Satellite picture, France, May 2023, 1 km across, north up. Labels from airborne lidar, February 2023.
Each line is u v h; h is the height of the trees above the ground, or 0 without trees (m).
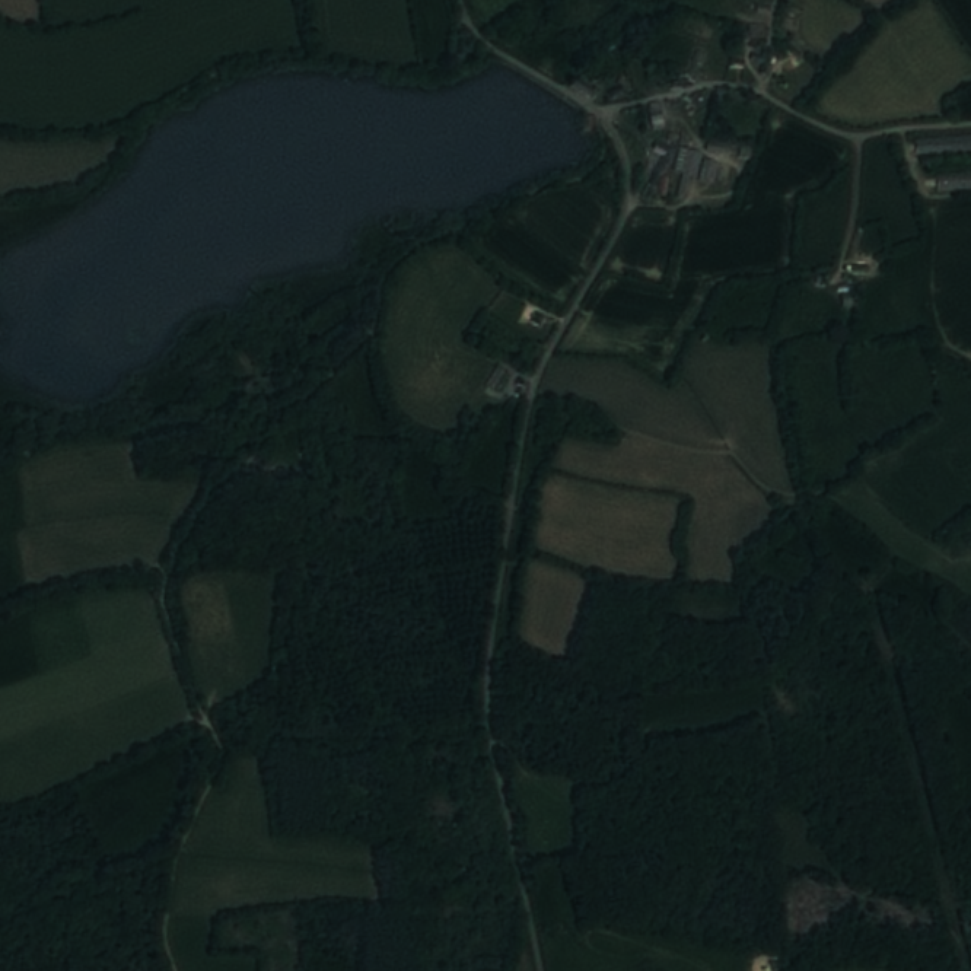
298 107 0
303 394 11
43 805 6
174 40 0
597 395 0
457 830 8
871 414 0
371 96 0
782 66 0
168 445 22
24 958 18
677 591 13
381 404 9
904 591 0
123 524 0
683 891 9
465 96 0
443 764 13
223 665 0
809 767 8
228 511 20
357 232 0
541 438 9
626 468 0
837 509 11
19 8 0
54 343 0
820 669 9
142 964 21
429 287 0
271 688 12
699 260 0
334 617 10
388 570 19
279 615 13
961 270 0
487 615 22
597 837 16
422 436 10
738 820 14
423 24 0
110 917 17
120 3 0
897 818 14
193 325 0
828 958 6
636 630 21
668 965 0
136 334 0
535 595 0
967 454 0
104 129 9
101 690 0
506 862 11
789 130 0
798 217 8
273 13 0
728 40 14
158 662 0
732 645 18
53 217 0
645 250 0
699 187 0
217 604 0
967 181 0
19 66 0
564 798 0
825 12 0
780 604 15
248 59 9
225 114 0
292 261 0
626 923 23
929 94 0
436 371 0
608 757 12
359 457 11
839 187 0
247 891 0
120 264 0
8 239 0
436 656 10
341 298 11
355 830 18
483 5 0
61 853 12
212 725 7
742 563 15
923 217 9
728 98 14
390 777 16
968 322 0
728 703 0
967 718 0
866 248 0
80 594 12
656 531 0
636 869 24
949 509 0
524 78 0
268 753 20
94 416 9
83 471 0
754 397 0
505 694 13
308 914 9
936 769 15
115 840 0
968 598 5
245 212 0
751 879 22
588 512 0
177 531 12
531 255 0
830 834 15
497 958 6
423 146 0
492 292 0
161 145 0
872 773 13
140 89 0
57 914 17
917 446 0
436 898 23
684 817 13
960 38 16
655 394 0
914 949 14
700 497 0
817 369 0
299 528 24
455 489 20
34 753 0
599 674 21
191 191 0
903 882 12
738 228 0
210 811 0
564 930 0
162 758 0
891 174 0
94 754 0
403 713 21
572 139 0
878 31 11
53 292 0
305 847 0
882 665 10
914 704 16
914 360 0
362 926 22
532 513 16
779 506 8
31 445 11
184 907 0
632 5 9
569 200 0
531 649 9
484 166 0
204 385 12
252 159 0
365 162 0
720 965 0
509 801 14
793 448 10
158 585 6
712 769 15
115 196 0
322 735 9
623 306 0
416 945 20
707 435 0
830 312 0
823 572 18
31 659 0
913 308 0
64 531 0
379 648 18
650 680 11
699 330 14
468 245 14
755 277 8
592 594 16
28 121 0
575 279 0
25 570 0
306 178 0
